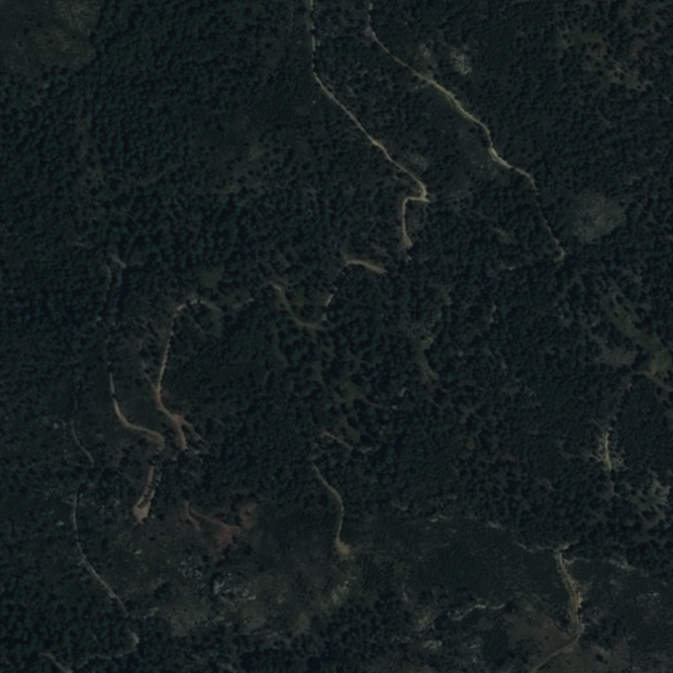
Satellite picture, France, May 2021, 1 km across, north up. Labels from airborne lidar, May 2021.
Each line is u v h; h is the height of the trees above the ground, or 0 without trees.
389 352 13
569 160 27
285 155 25
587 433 15
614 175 13
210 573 22
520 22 15
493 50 18
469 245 18
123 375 22
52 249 16
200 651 29
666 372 0
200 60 28
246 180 21
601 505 32
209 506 23
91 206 10
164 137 20
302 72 6
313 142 22
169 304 25
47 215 19
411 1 6
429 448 24
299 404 24
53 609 31
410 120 16
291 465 23
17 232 19
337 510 29
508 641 7
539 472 23
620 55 20
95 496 16
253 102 9
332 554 7
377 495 6
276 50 26
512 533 20
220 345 12
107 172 14
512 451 17
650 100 18
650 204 11
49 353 22
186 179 18
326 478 7
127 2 22
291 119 9
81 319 19
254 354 22
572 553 14
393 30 24
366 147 16
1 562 26
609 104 27
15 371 21
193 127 17
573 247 20
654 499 0
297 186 23
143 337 29
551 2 19
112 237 22
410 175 9
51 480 20
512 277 14
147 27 31
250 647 27
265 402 20
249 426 24
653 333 32
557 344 23
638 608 6
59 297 17
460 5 22
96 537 21
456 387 33
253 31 23
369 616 29
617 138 20
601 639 25
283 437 25
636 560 27
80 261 15
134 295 28
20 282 14
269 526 6
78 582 23
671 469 18
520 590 7
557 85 17
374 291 26
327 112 8
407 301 27
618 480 16
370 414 36
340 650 30
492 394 26
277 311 28
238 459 34
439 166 9
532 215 27
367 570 8
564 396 20
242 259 25
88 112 25
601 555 19
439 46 21
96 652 7
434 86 7
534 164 10
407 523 18
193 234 36
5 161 21
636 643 7
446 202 17
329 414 30
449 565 7
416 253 23
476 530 6
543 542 17
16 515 6
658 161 15
